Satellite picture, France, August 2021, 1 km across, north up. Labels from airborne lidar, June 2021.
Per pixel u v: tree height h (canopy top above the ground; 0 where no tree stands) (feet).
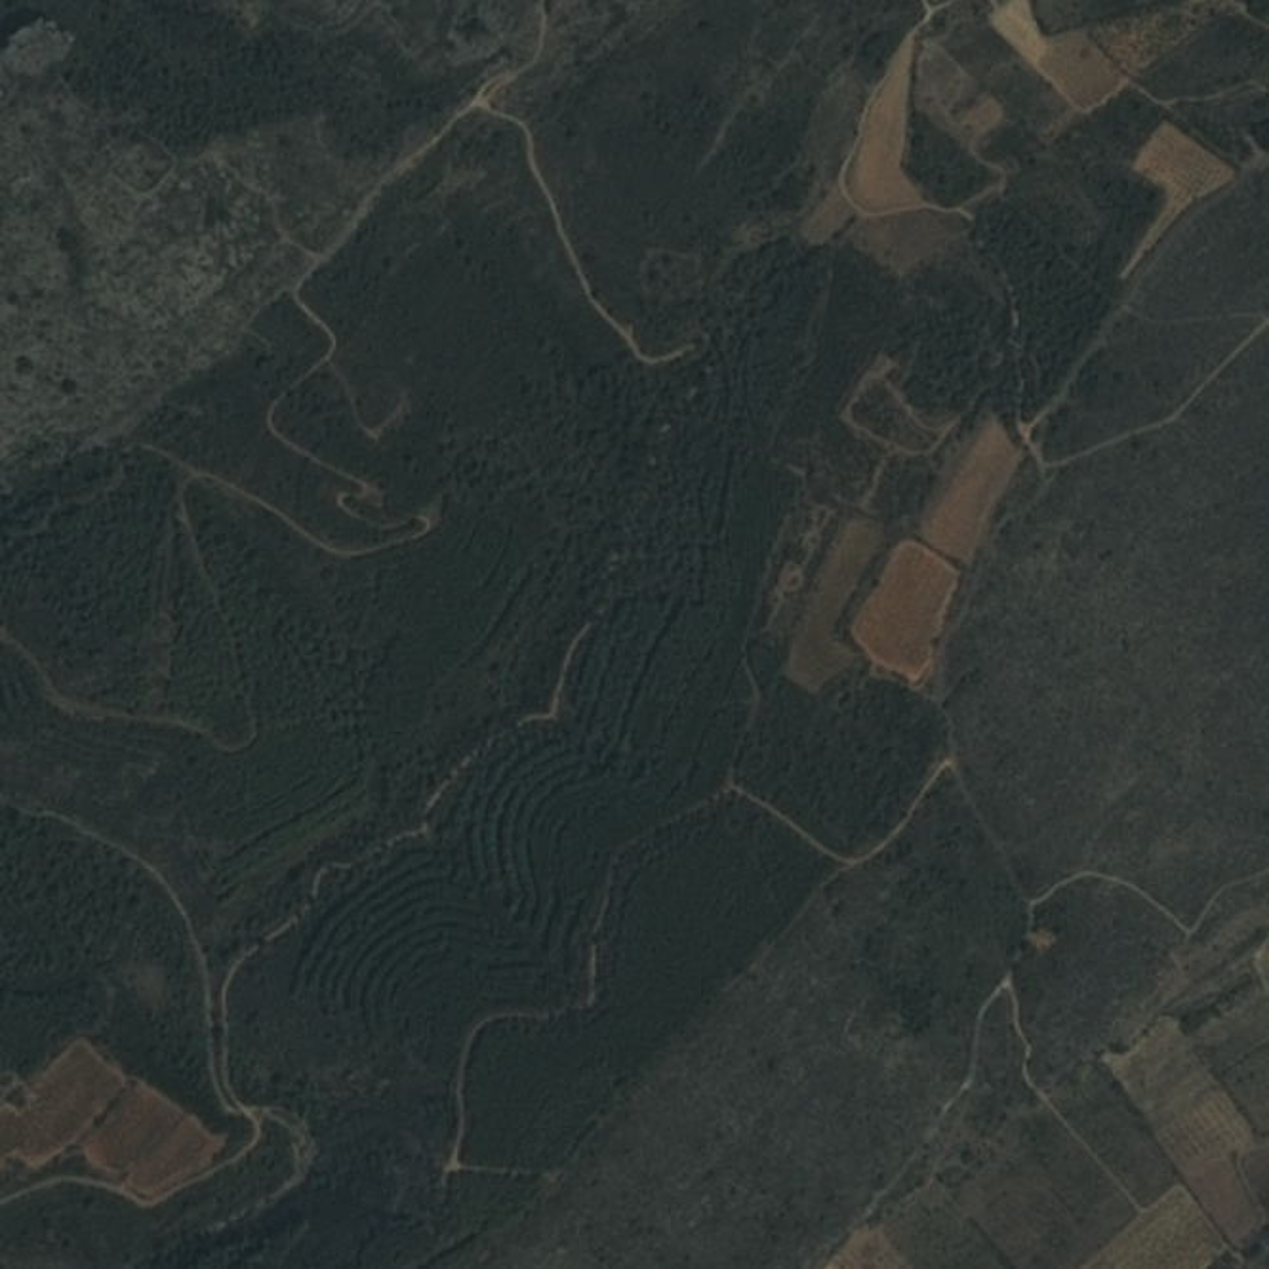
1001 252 28
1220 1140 0
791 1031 0
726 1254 0
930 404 26
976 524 0
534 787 27
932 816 0
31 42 0
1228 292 0
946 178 27
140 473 27
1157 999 0
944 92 0
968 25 0
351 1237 0
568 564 49
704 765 22
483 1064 18
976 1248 0
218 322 0
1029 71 0
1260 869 0
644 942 17
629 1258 0
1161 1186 0
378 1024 22
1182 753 0
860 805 30
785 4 20
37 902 38
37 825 38
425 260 0
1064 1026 0
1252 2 21
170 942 21
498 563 26
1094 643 0
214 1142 0
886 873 0
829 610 0
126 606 26
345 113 20
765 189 20
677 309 18
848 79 0
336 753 31
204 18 22
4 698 30
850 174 0
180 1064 36
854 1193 0
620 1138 0
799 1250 0
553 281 0
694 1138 0
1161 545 0
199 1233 23
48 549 30
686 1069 0
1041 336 23
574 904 25
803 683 0
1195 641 0
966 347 29
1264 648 0
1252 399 0
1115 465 0
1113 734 0
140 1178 0
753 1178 0
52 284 0
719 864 18
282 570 0
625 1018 21
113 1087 0
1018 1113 0
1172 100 0
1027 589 0
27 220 0
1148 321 0
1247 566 0
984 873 0
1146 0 0
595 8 0
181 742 27
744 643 21
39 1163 0
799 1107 0
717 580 33
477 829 35
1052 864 0
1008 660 0
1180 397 0
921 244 0
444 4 0
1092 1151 0
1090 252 22
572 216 0
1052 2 0
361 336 0
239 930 25
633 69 0
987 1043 0
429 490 26
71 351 0
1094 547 0
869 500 0
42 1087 0
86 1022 40
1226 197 0
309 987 21
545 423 18
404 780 30
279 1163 20
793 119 0
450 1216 23
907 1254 0
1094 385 20
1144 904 0
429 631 21
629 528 36
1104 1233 0
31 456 27
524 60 0
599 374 45
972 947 0
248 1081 21
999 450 0
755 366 30
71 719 24
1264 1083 0
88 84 31
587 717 24
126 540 18
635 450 40
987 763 0
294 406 20
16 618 19
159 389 0
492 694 24
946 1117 0
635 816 29
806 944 0
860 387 0
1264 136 40
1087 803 0
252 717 27
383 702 18
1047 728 0
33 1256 0
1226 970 0
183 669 25
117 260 0
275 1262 29
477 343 0
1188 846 0
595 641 23
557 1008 22
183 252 0
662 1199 0
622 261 0
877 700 20
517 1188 31
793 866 20
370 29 0
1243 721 0
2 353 0
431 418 22
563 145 0
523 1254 0
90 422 0
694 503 25
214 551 40
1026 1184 0
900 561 0
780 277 42
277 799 25
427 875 24
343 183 0
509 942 28
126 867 34
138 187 0
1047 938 0
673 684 32
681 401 30
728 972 20
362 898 28
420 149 0
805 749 29
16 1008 42
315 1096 42
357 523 21
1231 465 0
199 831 20
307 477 21
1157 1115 0
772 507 18
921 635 0
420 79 0
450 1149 0
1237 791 0
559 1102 28
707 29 31
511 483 31
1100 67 0
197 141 25
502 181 0
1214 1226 0
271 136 0
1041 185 0
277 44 22
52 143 0
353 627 24
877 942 21
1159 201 25
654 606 37
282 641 37
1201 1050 0
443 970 18
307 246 0
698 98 27
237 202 0
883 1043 0
